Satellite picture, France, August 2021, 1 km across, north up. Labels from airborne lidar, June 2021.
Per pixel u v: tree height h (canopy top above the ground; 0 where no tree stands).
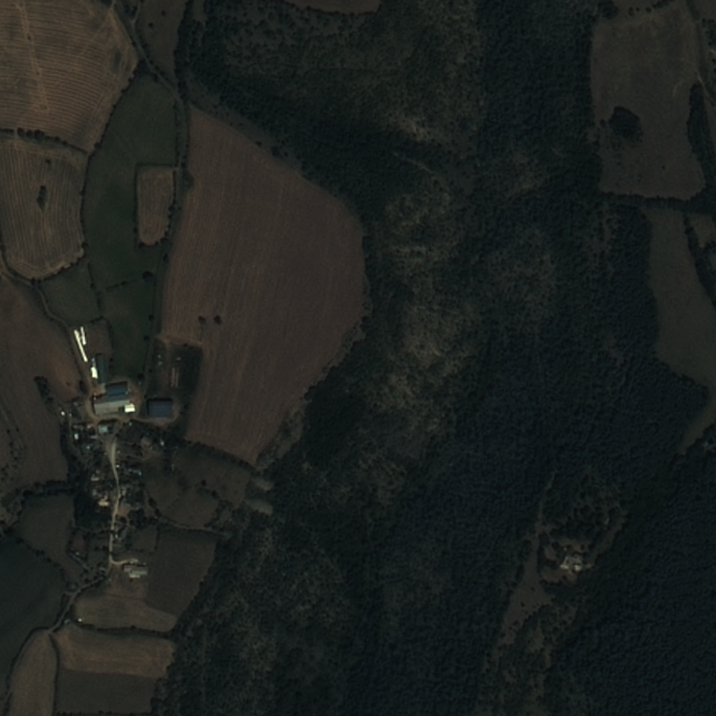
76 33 0
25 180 0
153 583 0
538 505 7
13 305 0
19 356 0
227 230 0
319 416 12
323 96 6
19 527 0
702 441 8
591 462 10
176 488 0
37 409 0
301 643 9
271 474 11
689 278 0
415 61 7
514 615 0
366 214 6
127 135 0
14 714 0
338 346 0
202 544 0
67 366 0
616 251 9
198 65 13
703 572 15
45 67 0
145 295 0
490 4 10
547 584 11
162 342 0
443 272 8
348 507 7
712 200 12
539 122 8
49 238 0
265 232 0
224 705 8
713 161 13
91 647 0
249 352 0
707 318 0
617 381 8
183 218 0
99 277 0
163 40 0
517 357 7
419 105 7
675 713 12
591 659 9
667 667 11
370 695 6
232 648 9
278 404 0
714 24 6
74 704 0
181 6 0
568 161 6
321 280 0
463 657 6
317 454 12
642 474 14
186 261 0
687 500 18
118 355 0
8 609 0
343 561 10
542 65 10
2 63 0
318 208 0
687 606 16
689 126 11
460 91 6
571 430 8
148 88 0
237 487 0
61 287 0
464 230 6
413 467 7
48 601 0
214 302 0
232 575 13
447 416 10
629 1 0
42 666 0
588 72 9
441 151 10
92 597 0
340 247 0
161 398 0
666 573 13
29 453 0
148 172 0
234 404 0
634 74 0
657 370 11
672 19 0
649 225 13
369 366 8
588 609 10
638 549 15
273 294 0
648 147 0
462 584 6
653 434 15
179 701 6
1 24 0
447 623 6
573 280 6
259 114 9
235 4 6
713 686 16
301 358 0
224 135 0
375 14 8
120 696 0
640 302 12
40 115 0
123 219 0
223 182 0
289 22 9
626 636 13
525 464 6
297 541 10
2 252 8
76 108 0
